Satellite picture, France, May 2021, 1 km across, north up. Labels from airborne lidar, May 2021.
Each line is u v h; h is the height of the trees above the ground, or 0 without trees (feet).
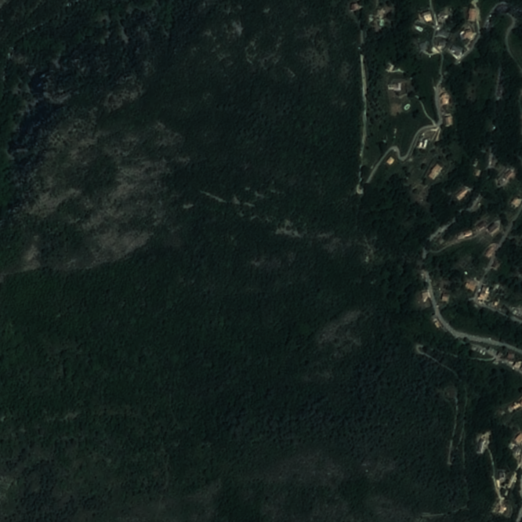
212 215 41
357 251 28
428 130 0
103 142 22
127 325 24
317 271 36
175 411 34
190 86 30
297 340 61
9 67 25
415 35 28
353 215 27
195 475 17
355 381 40
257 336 41
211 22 25
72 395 32
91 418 31
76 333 39
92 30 39
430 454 41
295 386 31
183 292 29
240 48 22
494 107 61
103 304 36
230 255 31
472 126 48
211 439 37
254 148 31
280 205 35
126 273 33
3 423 27
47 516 42
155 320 36
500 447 42
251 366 36
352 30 19
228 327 43
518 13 45
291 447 23
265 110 18
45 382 41
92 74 34
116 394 31
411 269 47
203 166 47
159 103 32
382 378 81
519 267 45
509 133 56
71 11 40
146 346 22
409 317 63
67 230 32
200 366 37
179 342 31
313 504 38
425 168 43
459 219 55
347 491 41
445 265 60
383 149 51
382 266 21
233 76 31
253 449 25
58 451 31
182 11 29
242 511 45
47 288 43
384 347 49
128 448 29
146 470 24
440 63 23
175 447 20
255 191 23
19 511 32
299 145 46
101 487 23
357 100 39
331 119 26
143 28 22
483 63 54
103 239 0
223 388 62
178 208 26
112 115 39
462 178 49
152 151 23
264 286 39
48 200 0
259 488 28
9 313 24
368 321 25
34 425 35
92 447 29
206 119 31
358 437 51
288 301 46
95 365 58
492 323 22
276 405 50
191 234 37
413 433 20
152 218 21
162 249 45
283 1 27
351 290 34
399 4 55
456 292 35
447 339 30
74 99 29
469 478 43
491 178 23
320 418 73
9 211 27
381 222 40
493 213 29
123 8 34
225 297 26
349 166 49
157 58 23
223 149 44
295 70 22
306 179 26
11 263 20
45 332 53
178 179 54
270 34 18
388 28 53
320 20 24
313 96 35
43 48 37
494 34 45
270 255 35
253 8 27
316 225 38
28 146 57
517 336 47
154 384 28
